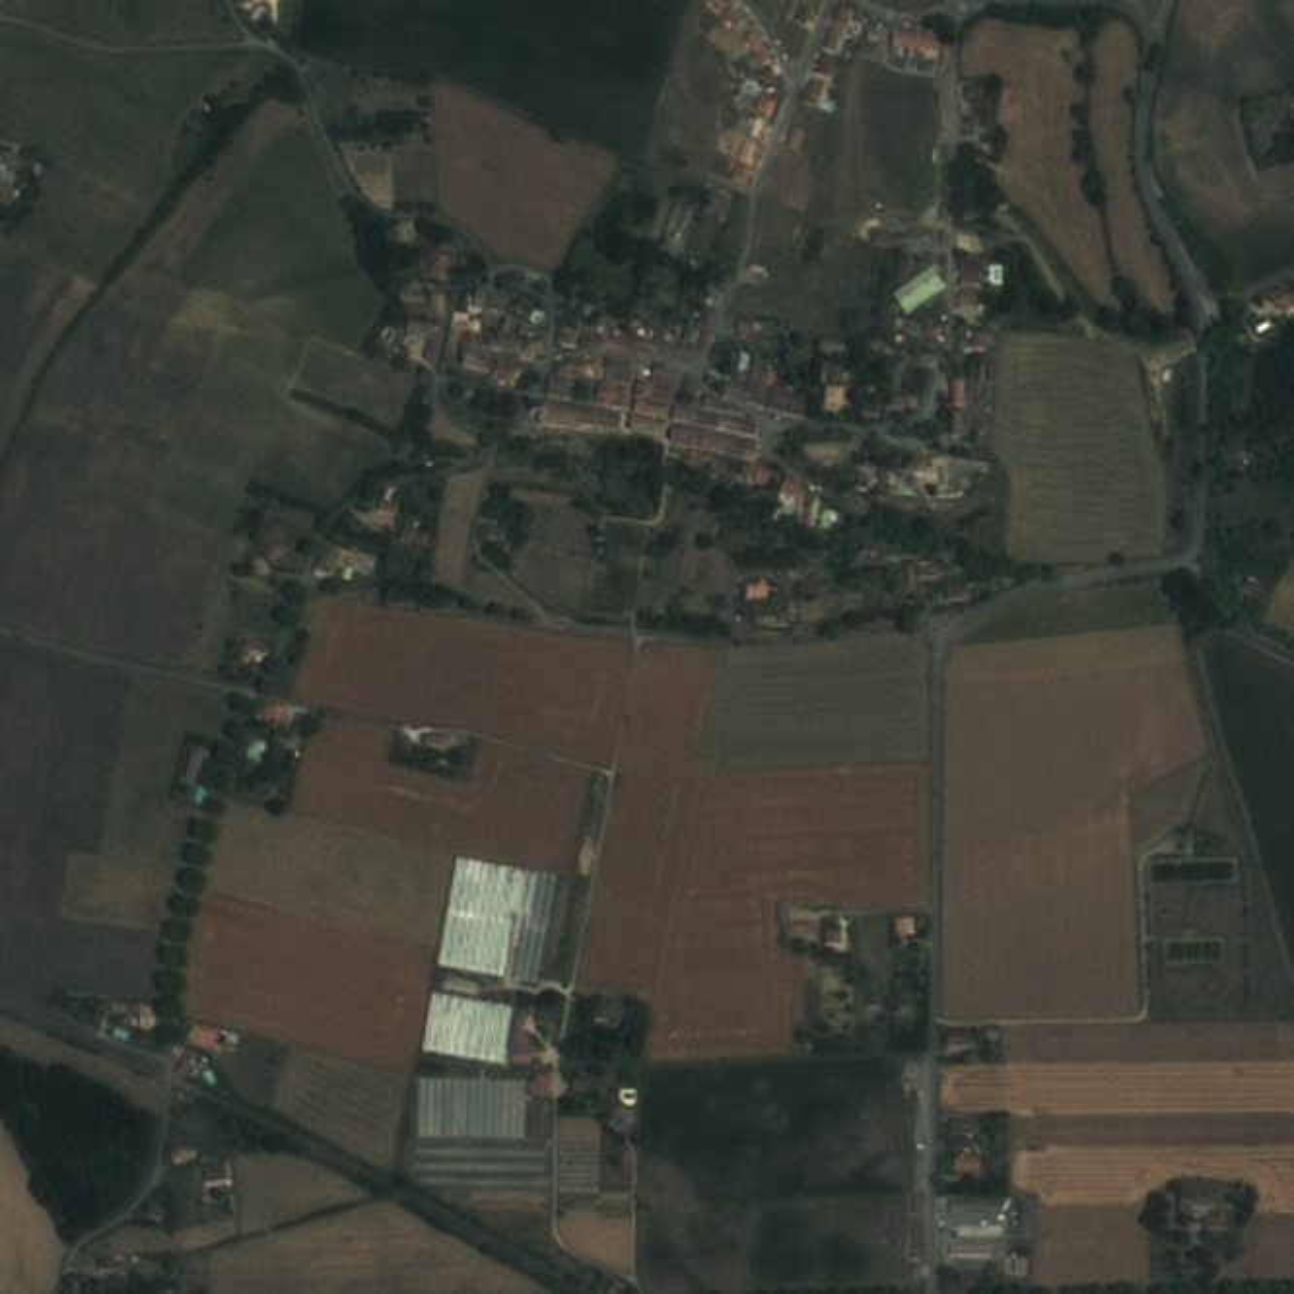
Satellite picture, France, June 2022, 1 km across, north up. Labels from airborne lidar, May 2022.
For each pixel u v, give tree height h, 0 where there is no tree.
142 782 0
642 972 0
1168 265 9
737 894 0
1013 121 0
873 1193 0
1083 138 14
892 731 0
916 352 7
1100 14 9
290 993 0
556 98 0
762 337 0
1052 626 0
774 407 0
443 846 0
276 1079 0
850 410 8
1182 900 0
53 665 0
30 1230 0
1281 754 0
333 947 0
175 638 0
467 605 20
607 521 0
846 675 0
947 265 0
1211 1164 0
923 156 0
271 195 0
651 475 7
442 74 0
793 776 0
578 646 0
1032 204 0
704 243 0
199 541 0
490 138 0
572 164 0
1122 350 0
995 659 0
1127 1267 0
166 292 0
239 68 0
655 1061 0
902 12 0
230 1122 10
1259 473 9
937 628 0
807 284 0
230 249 0
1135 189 8
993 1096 0
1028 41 0
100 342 0
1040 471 0
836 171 0
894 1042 6
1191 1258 14
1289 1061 0
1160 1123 0
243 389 0
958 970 0
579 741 0
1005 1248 0
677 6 0
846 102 0
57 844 0
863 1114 0
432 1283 0
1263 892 0
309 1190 0
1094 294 0
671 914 0
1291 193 0
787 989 0
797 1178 0
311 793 0
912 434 10
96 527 0
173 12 0
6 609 0
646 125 0
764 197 0
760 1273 0
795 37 0
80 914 0
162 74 0
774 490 8
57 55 0
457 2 0
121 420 0
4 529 0
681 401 10
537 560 0
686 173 0
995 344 0
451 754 9
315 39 0
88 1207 18
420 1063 0
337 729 0
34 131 0
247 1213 0
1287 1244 0
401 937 0
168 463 0
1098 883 0
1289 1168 0
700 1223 0
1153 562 0
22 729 0
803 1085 0
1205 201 0
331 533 19
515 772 0
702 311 7
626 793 0
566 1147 0
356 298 0
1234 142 0
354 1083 0
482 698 0
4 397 0
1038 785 0
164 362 0
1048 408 0
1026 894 0
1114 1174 0
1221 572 6
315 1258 0
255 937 0
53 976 0
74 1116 19
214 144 7
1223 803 0
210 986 0
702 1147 0
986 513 9
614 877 0
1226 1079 0
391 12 0
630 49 0
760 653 0
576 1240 0
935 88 0
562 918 0
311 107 0
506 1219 0
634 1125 0
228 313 0
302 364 0
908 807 0
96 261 0
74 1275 8
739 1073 0
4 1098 17
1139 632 0
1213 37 0
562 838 0
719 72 0
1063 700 0
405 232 0
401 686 0
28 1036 0
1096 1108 0
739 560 8
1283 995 0
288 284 0
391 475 8
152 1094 0
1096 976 0
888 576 8
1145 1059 0
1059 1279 0
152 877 0
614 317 12
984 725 0
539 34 0
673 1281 0
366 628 0
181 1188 0
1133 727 0
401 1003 0
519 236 0
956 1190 13
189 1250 0
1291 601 0
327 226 0
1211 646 0
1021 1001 0
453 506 0
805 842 0
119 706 0
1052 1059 0
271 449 0
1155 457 0
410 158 0
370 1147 0
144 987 0
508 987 0
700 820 0
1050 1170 0
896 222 0
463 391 7
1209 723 0
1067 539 0
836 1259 0
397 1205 0
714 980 0
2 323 0
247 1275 0
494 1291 0
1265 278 0
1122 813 0
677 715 0
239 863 0
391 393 0
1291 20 0
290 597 18
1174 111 0
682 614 14
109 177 0
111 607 0
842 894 0
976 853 0
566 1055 12
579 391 13
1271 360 12
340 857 0
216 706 0
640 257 13
